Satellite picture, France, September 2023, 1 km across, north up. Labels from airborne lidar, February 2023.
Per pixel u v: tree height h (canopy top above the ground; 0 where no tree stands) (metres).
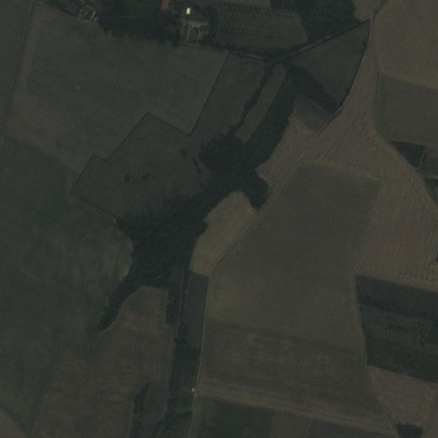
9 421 0
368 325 0
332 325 0
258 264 0
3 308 0
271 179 0
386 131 0
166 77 0
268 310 0
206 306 0
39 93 0
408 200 0
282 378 0
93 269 0
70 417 0
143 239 7
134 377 0
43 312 0
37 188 0
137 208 0
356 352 0
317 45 0
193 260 0
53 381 0
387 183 0
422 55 0
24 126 0
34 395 0
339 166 0
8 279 0
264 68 0
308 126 0
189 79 0
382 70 0
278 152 0
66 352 0
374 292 0
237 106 0
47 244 0
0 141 0
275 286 0
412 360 0
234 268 0
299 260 0
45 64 0
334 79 0
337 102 0
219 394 0
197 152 0
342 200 0
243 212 0
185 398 0
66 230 0
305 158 0
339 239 0
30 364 0
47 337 0
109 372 0
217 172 8
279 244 0
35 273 0
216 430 0
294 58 0
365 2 0
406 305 0
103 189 0
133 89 0
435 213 0
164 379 0
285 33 0
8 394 0
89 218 0
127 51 0
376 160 0
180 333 6
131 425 0
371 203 0
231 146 12
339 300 0
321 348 0
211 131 0
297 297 0
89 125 0
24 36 0
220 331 0
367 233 0
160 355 0
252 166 9
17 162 0
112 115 0
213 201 10
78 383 0
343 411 0
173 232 10
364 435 0
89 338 0
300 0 7
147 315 0
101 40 0
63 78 0
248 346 0
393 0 0
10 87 0
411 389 0
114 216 0
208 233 0
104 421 0
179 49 0
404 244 0
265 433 0
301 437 0
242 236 0
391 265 0
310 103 0
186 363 0
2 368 0
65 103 0
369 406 0
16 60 0
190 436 0
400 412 0
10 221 0
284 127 8
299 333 0
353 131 0
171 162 0
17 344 0
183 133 0
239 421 0
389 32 0
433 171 0
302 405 0
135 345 0
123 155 0
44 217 0
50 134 0
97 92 0
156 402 0
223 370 0
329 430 0
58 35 0
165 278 11
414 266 0
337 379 0
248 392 0
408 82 0
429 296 0
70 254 0
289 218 0
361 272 0
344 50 0
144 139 0
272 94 0
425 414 0
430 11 0
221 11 0
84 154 0
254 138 7
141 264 7
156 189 0
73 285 0
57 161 0
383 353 0
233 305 0
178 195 0
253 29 0
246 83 0
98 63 0
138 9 0
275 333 0
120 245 0
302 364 0
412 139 0
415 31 0
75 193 0
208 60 0
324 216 0
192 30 0
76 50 0
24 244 0
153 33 30
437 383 0
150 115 0
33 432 0
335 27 11
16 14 0
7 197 0
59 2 0
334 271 0
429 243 0
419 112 0
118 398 0
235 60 0
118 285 0
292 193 0
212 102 0
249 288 0
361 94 0
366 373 0
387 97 0
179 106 0
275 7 8
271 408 0
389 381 0
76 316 0
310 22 5
